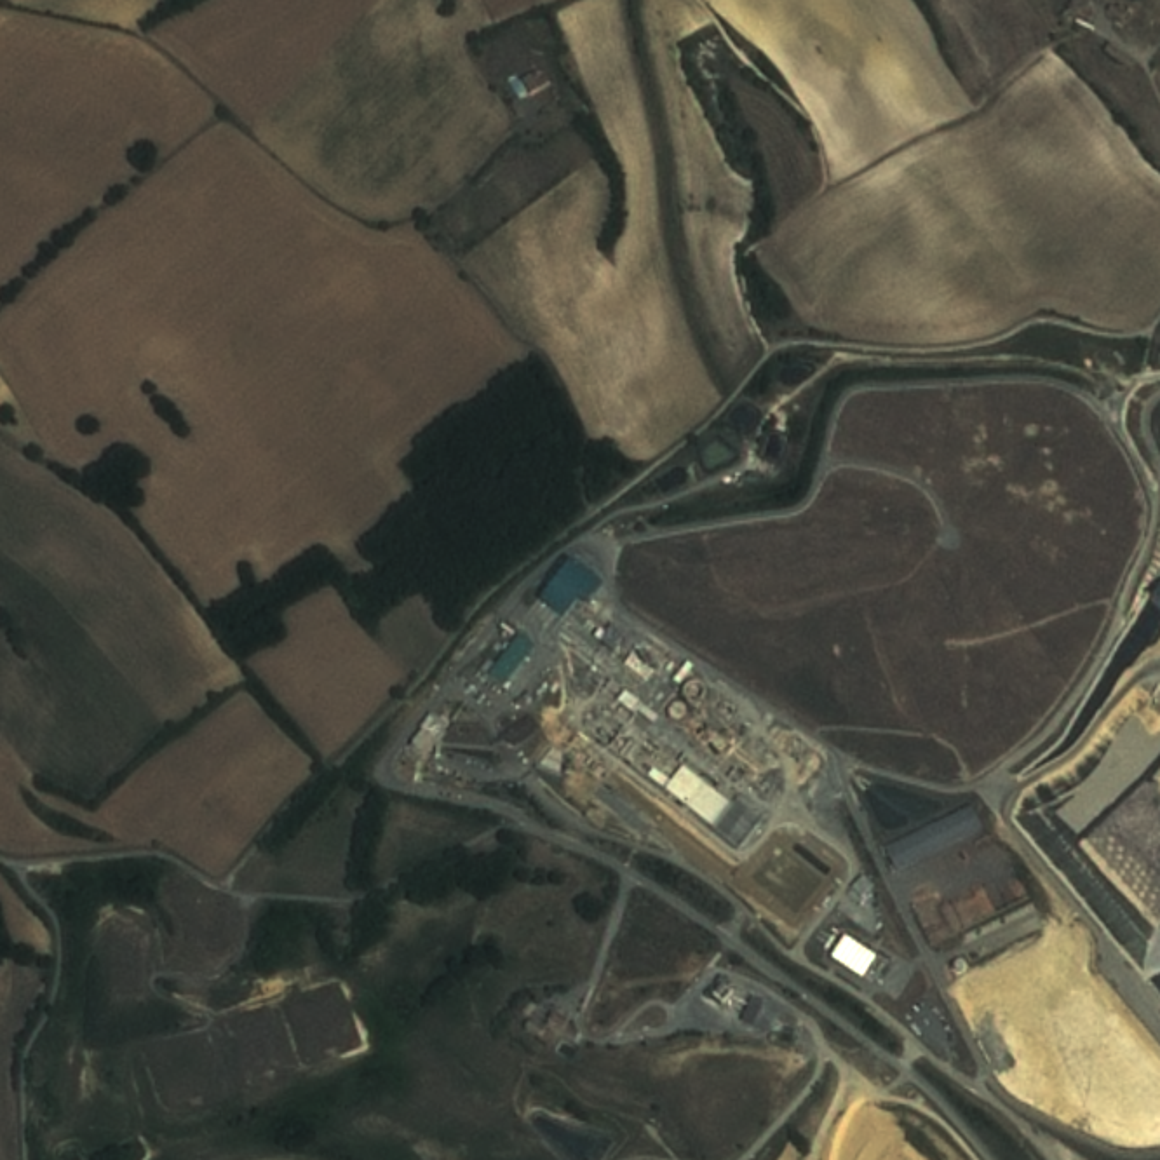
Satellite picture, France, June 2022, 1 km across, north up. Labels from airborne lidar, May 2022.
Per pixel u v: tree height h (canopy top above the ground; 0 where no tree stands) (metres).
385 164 0
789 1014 0
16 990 0
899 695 0
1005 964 0
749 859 0
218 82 0
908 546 0
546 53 0
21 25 0
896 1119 0
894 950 0
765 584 0
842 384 6
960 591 0
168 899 0
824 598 0
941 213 0
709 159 0
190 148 0
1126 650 0
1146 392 0
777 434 0
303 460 0
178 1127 0
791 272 0
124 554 0
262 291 0
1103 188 0
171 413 15
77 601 0
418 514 15
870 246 0
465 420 18
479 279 0
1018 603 0
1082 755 0
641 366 0
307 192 0
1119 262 0
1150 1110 0
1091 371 0
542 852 0
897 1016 0
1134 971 0
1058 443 0
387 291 0
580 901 14
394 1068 0
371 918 14
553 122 0
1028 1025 0
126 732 0
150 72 0
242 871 0
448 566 17
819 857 0
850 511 0
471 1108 0
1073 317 6
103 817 0
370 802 13
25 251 0
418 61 0
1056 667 0
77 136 0
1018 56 0
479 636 0
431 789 0
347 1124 0
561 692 0
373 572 8
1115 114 8
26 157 0
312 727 0
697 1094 0
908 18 0
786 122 0
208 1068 0
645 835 0
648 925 0
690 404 0
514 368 13
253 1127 0
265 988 0
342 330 0
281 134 0
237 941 0
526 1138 0
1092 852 0
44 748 0
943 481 0
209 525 0
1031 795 0
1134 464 0
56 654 0
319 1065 0
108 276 0
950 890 0
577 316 0
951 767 0
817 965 0
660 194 0
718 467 0
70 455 0
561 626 0
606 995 0
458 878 14
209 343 0
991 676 0
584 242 0
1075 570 0
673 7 0
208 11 0
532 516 16
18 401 0
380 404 0
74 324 0
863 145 0
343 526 0
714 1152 0
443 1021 0
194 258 0
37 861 0
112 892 6
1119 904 0
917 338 0
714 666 0
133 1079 0
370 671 0
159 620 0
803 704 0
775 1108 0
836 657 0
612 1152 0
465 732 0
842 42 0
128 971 0
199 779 0
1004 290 0
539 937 0
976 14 0
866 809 0
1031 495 0
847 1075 0
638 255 0
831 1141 0
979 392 0
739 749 0
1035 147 0
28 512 0
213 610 14
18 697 0
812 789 0
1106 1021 0
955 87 0
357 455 0
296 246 0
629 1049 0
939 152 0
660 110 0
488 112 0
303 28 0
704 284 0
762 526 0
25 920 0
